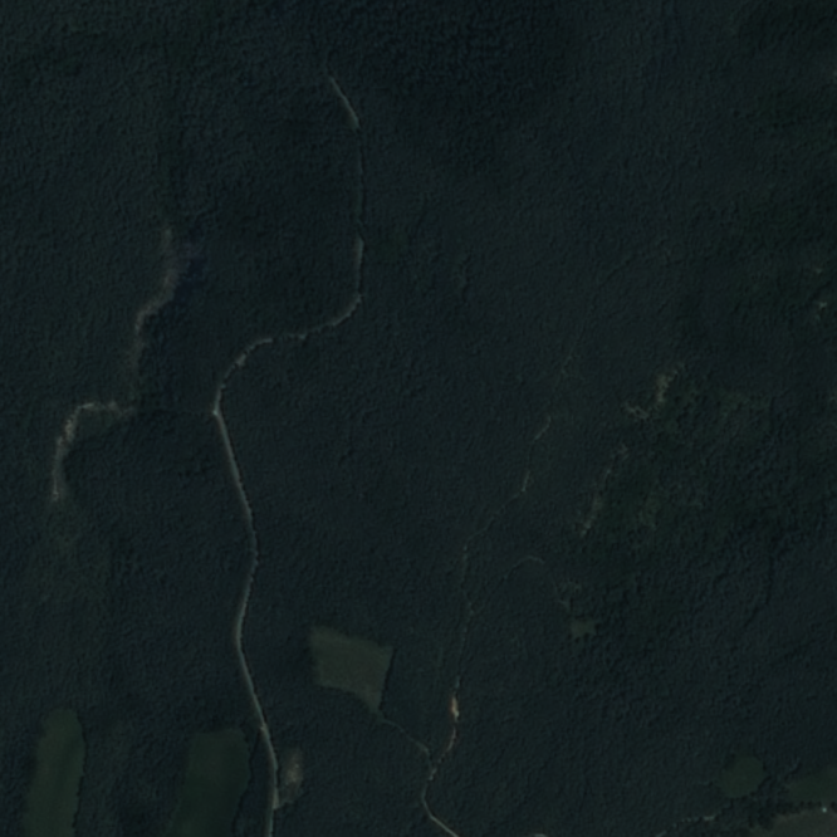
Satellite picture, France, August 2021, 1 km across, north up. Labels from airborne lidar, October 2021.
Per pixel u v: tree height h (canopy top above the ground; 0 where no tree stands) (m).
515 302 7
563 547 9
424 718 6
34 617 7
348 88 13
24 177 12
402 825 9
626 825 6
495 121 20
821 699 15
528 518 9
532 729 11
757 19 12
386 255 11
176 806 12
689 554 15
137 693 7
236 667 10
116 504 10
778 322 16
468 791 8
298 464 9
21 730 8
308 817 9
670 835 7
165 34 8
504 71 22
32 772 16
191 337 13
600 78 10
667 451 9
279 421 10
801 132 15
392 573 12
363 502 8
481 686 6
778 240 15
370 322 8
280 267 15
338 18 26
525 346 6
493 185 12
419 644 8
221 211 15
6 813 11
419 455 10
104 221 9
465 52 26
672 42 14
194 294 13
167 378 11
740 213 15
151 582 10
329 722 10
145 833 16
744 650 8
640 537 13
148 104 8
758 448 8
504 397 6
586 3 14
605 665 16
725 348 12
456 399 9
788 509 16
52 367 7
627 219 12
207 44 10
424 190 9
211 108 11
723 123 13
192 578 9
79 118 9
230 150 13
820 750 14
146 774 11
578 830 8
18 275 9
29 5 8
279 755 7
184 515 9
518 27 28
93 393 8
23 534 10
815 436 15
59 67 20
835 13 12
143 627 10
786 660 11
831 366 14
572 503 7
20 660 8
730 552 11
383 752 7
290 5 15
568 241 7
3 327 11
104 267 6
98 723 16
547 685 12
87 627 8
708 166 9
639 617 19
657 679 13
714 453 7
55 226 12
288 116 17
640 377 7
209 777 0
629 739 13
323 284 14
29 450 6
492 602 7
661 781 7
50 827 0
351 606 9
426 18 29
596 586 11
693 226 11
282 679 12
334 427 13
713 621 9
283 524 12
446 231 10
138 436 12
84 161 12
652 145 11
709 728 10
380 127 10
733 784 0
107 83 11
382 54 25
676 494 8
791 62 13
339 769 7
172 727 11
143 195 9
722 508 11
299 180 16
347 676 0
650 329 10
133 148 9
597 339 7
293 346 8
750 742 11
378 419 11
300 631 10
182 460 13
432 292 13
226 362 10
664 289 8
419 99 15
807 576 12
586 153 16
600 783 11
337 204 13
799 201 16
